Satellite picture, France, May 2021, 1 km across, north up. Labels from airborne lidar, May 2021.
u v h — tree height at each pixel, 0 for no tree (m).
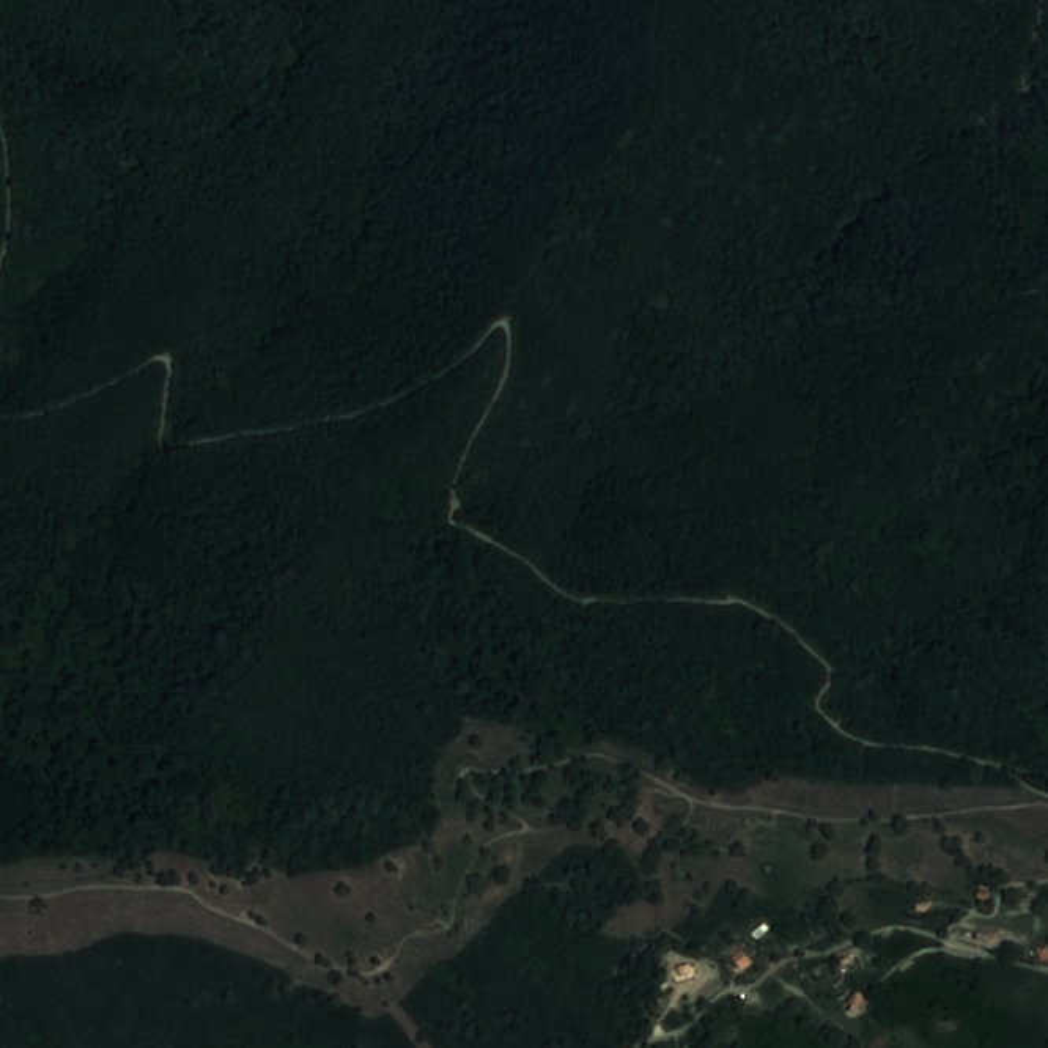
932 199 17
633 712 7
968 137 27
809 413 8
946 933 12
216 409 7
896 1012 0
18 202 10
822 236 22
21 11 11
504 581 7
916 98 17
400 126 12
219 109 19
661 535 7
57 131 5
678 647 6
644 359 14
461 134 13
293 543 10
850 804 0
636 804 13
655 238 7
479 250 10
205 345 8
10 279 6
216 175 14
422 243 11
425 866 0
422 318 10
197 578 11
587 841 0
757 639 6
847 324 11
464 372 6
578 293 9
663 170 10
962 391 7
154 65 13
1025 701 6
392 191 11
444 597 12
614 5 8
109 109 7
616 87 10
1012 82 14
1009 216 12
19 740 16
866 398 7
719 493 7
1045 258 8
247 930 0
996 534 7
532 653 15
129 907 0
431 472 7
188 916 0
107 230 16
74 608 10
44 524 7
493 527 12
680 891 0
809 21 17
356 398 5
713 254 9
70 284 15
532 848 0
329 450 8
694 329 11
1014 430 9
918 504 7
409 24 17
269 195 7
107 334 6
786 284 21
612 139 10
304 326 15
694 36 9
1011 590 13
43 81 13
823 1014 0
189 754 6
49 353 14
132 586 20
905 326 6
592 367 8
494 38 15
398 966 0
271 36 8
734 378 21
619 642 7
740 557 7
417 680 6
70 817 12
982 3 15
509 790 14
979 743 6
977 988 9
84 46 11
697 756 8
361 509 9
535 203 8
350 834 12
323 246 19
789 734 6
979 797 0
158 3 14
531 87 12
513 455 10
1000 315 7
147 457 12
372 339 11
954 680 9
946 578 5
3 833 16
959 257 13
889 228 19
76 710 21
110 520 9
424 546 11
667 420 9
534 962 6
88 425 6
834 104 10
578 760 9
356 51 6
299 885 0
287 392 7
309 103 12
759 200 10
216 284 7
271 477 10
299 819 12
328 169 10
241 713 6
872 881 8
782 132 12
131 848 9
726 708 5
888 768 6
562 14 16
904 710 10
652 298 14
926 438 6
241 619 9
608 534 7
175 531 14
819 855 12
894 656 7
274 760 5
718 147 9
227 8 7
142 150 19
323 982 0
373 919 9
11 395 17
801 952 11
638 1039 13
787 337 23
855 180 10
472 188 10
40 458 6
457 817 0
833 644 6
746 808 0
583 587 10
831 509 7
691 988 0
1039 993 0
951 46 14
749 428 8
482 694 6
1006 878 12
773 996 0
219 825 9
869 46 20
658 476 8
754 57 13
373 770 6
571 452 6
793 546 7
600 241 8
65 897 0
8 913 0
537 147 9
